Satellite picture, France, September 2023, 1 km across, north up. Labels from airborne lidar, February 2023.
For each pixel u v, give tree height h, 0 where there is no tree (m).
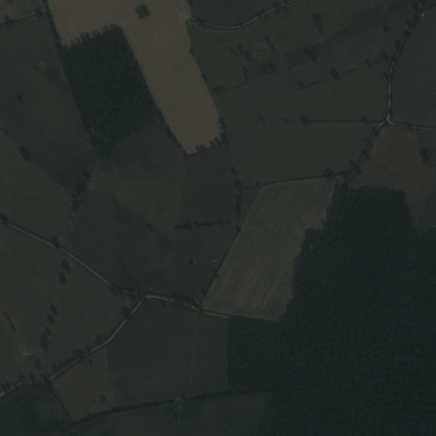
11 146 0
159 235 0
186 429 0
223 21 0
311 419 20
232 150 0
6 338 0
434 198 0
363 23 0
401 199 13
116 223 0
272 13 0
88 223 0
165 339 0
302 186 0
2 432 0
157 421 0
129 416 0
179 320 0
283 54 0
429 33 0
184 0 0
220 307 0
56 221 0
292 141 0
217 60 0
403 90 0
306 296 23
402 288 11
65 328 0
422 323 12
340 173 9
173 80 0
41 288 0
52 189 0
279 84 0
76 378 0
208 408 0
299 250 0
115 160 0
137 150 0
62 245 0
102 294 0
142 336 0
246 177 0
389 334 25
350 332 19
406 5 0
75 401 0
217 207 0
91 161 0
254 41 0
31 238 0
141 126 15
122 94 27
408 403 25
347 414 24
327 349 15
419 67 0
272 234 0
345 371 22
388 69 0
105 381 0
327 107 0
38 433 0
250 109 0
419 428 23
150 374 0
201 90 0
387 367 25
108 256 0
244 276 0
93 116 22
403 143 0
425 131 0
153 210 0
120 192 0
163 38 0
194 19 0
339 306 23
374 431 22
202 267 0
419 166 0
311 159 0
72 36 0
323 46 0
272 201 0
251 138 0
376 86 0
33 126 0
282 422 22
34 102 0
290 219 0
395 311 16
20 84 0
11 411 0
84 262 0
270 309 0
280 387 19
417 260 14
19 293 0
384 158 0
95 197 0
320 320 20
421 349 23
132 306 0
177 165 0
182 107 0
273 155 0
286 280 0
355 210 12
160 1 0
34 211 0
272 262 0
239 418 0
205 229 0
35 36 0
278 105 0
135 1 0
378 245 13
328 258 21
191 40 0
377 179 0
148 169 0
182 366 0
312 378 23
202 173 0
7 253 0
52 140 0
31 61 0
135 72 22
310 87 0
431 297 12
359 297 23
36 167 0
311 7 0
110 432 0
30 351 0
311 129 0
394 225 11
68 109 0
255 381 21
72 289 0
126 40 18
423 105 0
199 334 0
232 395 12
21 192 0
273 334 25
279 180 0
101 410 0
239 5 0
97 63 22
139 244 0
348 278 24
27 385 14
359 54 0
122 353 0
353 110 0
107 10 0
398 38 0
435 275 18
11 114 0
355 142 0
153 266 0
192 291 0
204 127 0
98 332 0
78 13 0
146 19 0
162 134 0
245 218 0
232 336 13
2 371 0
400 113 0
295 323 21
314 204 0
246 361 19
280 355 28
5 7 0
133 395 0
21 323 0
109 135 27
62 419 0
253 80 0
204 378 0
